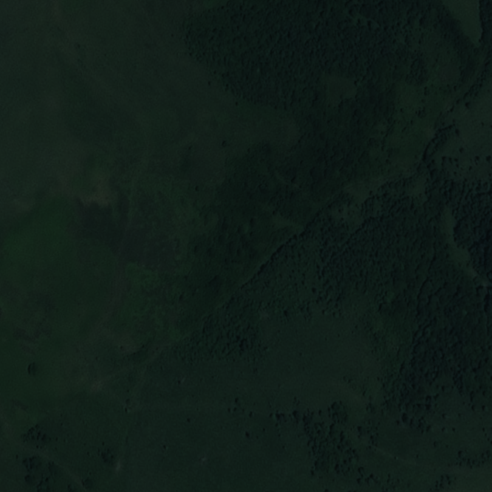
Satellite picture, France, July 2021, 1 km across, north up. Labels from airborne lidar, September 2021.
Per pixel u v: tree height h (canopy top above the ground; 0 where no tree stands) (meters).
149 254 0
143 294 0
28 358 0
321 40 20
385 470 0
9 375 0
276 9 17
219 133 0
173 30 0
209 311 6
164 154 0
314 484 0
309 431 11
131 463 0
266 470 0
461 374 21
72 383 0
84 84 0
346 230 10
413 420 16
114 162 0
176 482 0
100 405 0
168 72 0
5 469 0
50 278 0
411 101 0
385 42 17
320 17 18
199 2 0
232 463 0
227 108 0
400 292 12
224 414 0
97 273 0
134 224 0
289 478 0
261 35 19
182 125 0
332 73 11
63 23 0
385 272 7
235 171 9
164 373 0
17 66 0
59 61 0
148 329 0
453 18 25
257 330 7
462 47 20
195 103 0
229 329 7
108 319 0
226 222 16
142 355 7
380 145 11
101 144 0
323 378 0
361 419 0
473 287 10
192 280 10
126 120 0
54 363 0
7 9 0
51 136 0
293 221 8
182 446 0
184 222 0
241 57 16
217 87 0
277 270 7
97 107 0
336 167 29
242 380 0
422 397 6
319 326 0
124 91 0
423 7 17
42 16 0
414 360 10
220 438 0
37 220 0
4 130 0
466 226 8
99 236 0
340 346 0
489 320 24
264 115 0
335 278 8
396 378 7
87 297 0
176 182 0
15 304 0
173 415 0
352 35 21
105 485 0
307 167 11
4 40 0
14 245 0
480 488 0
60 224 0
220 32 17
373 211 9
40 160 0
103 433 0
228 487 0
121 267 0
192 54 14
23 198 0
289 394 0
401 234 14
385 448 0
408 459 0
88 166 0
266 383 0
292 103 15
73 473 0
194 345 7
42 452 0
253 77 22
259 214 9
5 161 0
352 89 0
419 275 20
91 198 0
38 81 0
